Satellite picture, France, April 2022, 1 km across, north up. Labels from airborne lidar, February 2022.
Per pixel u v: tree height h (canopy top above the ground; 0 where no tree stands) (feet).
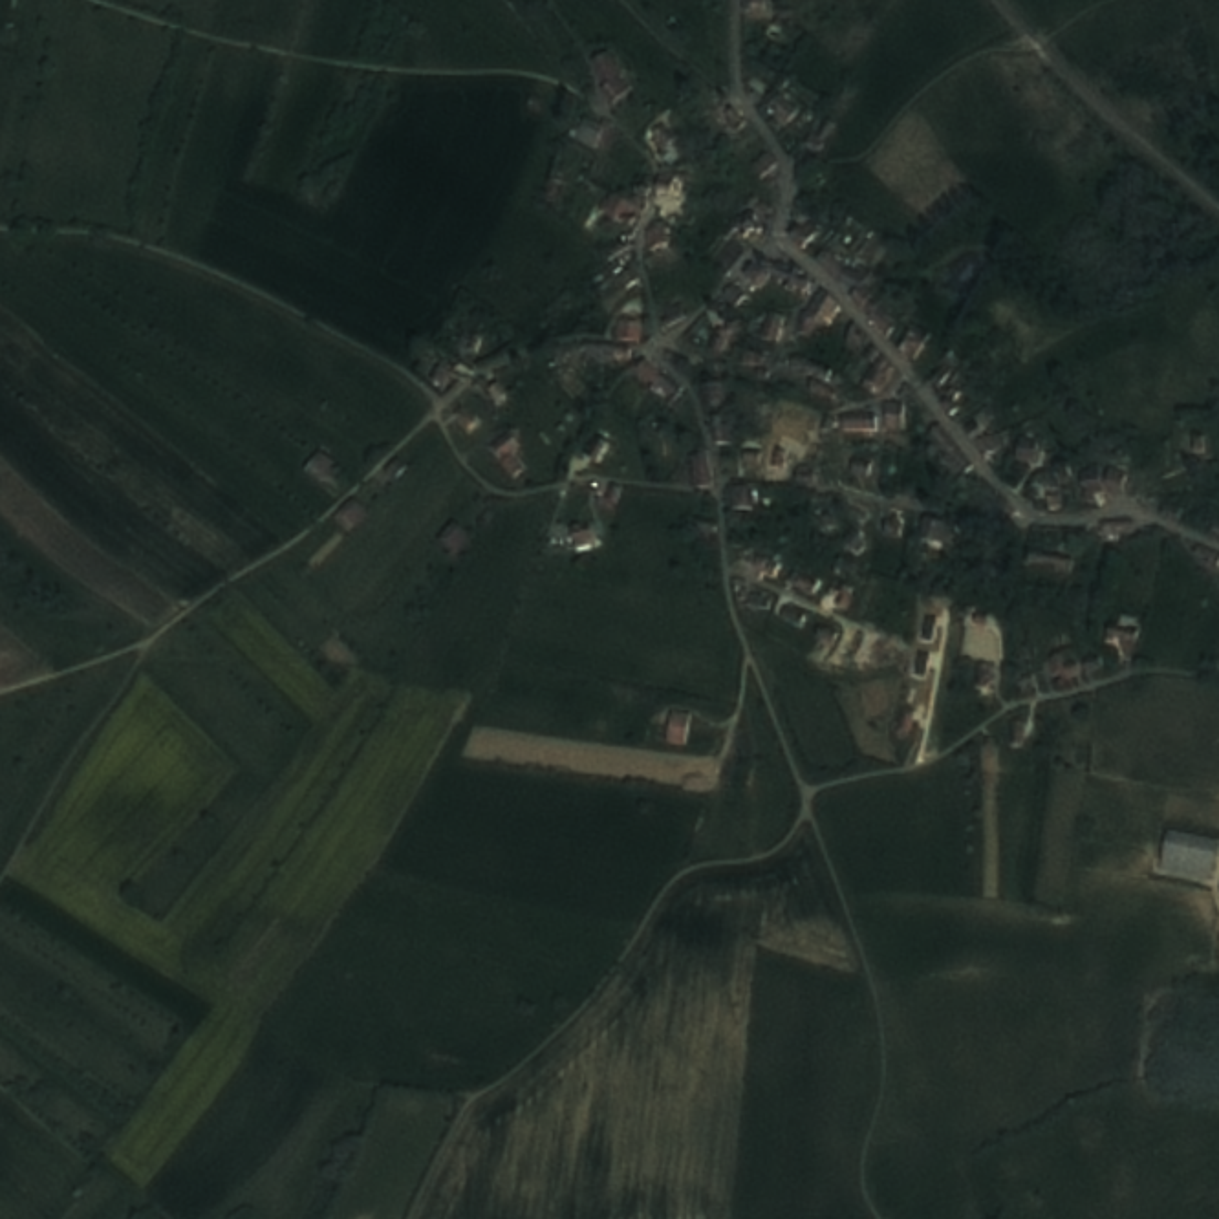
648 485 0
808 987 0
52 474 0
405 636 0
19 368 0
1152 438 0
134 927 0
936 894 0
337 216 0
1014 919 0
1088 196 0
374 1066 0
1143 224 85
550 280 0
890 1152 0
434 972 0
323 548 0
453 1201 0
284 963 0
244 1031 0
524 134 0
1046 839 0
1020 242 63
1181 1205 0
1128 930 0
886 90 0
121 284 0
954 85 0
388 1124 0
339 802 0
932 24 0
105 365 0
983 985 0
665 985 0
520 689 0
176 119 0
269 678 0
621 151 0
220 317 0
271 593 0
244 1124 0
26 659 0
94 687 0
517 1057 0
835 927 0
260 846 0
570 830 0
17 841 0
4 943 0
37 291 0
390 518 0
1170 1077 0
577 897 0
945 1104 0
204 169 0
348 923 0
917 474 0
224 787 0
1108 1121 0
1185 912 0
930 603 33
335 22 0
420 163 0
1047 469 18
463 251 0
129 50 0
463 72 0
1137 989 0
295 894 0
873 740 0
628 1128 0
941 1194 0
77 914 0
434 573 23
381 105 27
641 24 0
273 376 0
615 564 0
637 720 0
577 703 0
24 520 0
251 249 0
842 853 0
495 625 0
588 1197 0
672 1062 0
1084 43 0
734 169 23
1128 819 0
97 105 0
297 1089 0
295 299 0
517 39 0
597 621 0
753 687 0
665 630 0
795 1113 0
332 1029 0
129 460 0
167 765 0
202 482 0
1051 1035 0
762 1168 0
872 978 0
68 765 0
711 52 0
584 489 0
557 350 68
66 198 0
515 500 0
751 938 0
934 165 0
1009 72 0
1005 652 0
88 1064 0
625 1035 0
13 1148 0
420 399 0
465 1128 0
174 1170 0
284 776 0
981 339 21
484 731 0
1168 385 0
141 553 0
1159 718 0
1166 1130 0
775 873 0
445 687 0
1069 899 0
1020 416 0
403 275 0
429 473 0
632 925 0
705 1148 0
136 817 0
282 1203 0
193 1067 0
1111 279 19
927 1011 0
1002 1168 0
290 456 0
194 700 0
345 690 0
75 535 0
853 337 0
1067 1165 0
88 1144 34
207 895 0
